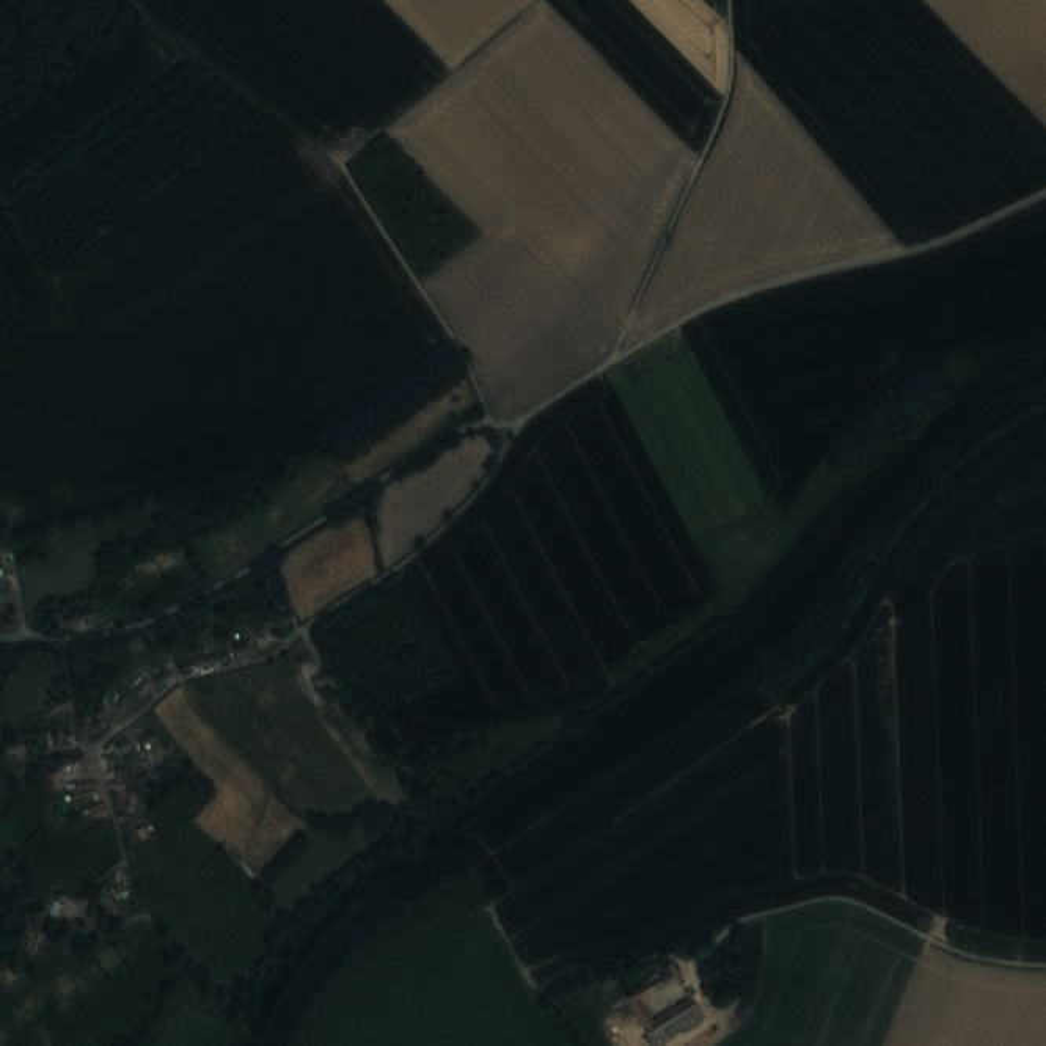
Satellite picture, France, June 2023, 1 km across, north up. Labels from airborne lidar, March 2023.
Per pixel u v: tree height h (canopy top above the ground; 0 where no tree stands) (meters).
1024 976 0
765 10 0
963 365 0
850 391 0
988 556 0
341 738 0
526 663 0
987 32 0
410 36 0
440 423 0
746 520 0
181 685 0
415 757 0
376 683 11
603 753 0
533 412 0
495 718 0
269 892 14
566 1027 18
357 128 0
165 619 12
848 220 0
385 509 0
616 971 15
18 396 0
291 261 0
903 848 0
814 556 0
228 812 0
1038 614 0
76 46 26
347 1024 0
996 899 0
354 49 0
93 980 0
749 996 0
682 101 0
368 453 0
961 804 0
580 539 0
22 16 17
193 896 0
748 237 0
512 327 0
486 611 0
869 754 0
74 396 0
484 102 0
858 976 0
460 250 0
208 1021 0
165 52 0
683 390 0
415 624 10
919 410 28
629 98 0
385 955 0
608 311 0
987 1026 0
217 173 0
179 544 6
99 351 0
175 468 0
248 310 0
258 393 0
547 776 0
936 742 0
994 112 0
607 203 0
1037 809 0
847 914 0
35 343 0
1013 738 0
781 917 0
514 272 0
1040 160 0
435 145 0
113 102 0
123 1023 0
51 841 0
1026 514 0
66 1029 0
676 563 0
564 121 0
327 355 0
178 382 0
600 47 0
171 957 22
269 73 0
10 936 25
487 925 0
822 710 0
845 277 0
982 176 0
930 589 0
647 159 0
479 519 0
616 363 0
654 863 0
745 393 0
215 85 8
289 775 0
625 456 0
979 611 0
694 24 0
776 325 0
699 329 0
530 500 0
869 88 0
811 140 0
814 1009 0
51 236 9
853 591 8
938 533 0
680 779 0
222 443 0
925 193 0
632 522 0
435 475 0
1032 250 0
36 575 0
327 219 0
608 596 0
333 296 0
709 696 0
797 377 0
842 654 0
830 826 0
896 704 0
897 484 0
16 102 25
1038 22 0
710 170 0
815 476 0
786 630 0
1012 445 0
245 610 0
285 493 0
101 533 0
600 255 0
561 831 0
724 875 0
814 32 0
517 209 0
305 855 0
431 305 0
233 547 0
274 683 0
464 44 0
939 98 0
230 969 0
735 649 0
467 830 0
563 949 0
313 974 0
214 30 0
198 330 0
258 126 0
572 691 0
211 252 0
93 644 16
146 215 0
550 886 0
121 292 0
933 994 0
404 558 0
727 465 0
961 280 0
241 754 0
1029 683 0
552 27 0
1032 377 0
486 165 0
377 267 0
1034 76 0
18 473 0
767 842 0
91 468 0
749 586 0
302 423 0
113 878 0
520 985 0
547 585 0
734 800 0
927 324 0
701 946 11
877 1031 0
